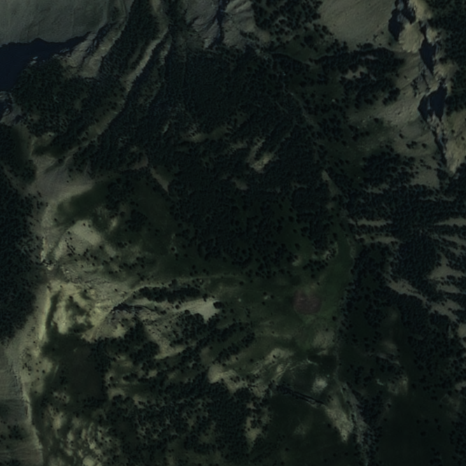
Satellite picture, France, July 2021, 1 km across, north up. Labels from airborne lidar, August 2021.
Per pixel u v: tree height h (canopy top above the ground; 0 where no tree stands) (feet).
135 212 40
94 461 0
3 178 31
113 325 0
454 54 33
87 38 0
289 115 47
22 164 0
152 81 25
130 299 0
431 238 40
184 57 29
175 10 44
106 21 0
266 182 50
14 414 0
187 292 37
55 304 0
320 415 0
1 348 0
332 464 0
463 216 38
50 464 0
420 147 0
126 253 0
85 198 0
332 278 0
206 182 47
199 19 0
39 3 0
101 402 29
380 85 53
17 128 0
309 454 0
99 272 0
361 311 0
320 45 0
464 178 38
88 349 0
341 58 51
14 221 32
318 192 54
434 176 0
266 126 33
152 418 40
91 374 0
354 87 40
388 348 0
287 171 43
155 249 0
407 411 0
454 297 31
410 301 56
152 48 0
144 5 38
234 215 44
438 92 0
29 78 44
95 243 0
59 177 0
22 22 0
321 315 0
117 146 35
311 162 52
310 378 0
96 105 45
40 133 22
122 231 0
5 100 0
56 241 0
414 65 0
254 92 33
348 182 40
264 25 44
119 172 23
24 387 0
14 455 0
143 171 31
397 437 0
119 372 0
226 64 44
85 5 0
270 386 22
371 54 49
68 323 0
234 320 28
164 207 0
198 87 49
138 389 0
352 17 0
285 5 21
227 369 0
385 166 56
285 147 52
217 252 40
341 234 0
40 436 0
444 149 0
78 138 31
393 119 0
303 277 0
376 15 0
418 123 0
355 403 0
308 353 0
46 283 0
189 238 36
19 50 0
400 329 0
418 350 50
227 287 0
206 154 59
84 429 0
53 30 0
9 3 0
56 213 0
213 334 37
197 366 40
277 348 0
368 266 57
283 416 0
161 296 50
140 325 45
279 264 42
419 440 0
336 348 0
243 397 38
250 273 23
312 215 56
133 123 45
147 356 32
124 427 0
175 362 0
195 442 30
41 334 0
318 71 0
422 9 0
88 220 0
